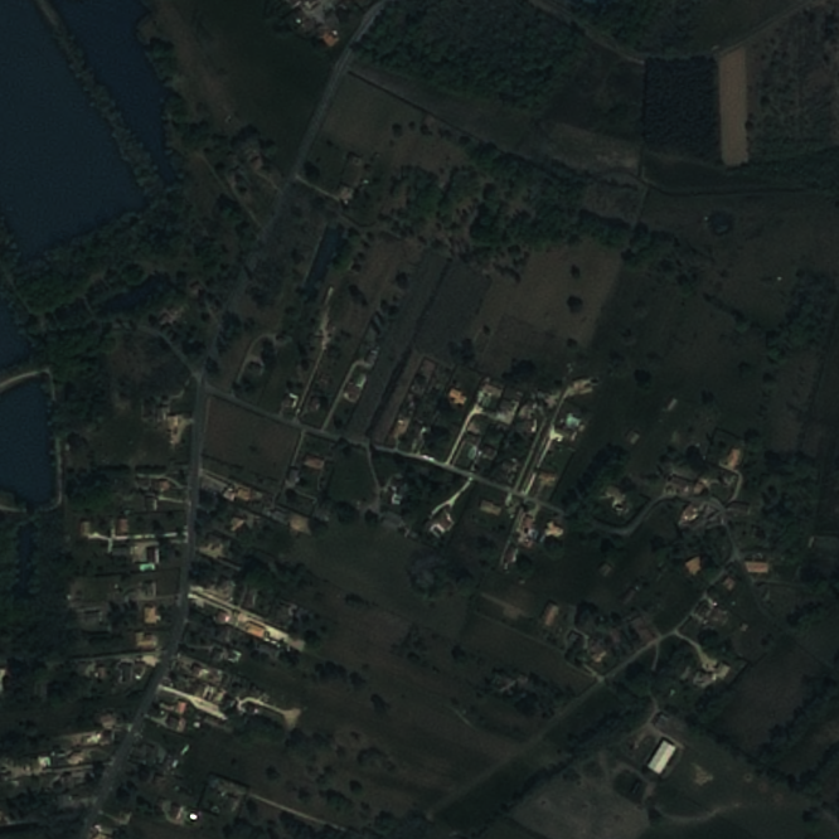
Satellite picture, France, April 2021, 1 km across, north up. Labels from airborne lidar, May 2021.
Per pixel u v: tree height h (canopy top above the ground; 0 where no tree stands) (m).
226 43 0
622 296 0
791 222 0
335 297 0
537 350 0
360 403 10
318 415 0
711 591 6
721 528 8
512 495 0
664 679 17
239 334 21
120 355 0
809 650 0
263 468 0
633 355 0
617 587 0
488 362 0
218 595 0
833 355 0
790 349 11
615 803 0
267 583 19
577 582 0
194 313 0
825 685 7
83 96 0
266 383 0
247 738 19
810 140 8
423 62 15
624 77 0
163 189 13
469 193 12
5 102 0
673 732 0
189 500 0
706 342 0
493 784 0
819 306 12
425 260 9
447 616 0
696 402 0
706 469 11
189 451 0
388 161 0
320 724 0
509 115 0
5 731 0
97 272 15
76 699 14
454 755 0
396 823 13
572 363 0
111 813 0
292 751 12
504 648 0
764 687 0
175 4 0
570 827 0
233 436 0
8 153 0
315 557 0
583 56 16
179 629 0
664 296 0
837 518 0
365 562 0
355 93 0
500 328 0
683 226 0
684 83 16
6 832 11
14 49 0
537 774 0
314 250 14
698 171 0
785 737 19
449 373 6
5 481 0
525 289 0
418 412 0
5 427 0
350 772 0
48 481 0
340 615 0
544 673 0
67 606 16
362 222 0
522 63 17
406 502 6
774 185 0
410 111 0
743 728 0
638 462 0
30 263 16
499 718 0
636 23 20
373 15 0
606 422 0
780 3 0
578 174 11
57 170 0
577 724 0
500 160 15
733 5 0
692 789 0
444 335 15
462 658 19
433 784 0
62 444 8
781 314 0
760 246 0
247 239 23
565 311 0
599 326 0
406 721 0
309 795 14
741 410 0
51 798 8
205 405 0
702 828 0
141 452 0
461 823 0
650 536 0
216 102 0
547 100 22
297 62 0
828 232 0
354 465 0
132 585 10
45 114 0
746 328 20
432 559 20
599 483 23
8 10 0
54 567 18
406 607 0
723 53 0
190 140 17
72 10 0
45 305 18
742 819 0
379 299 0
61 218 0
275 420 0
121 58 0
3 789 0
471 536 0
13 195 0
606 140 0
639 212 0
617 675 0
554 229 19
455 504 0
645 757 0
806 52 0
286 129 0
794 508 16
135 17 0
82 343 15
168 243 28
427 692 0
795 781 13
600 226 16
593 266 0
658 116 16
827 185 11
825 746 0
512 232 13
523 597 0
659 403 0
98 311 24
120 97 0
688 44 17
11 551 20
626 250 12
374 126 0
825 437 0
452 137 12
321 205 14
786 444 0
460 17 9
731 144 0
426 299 13
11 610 23
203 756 0
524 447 8
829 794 0
